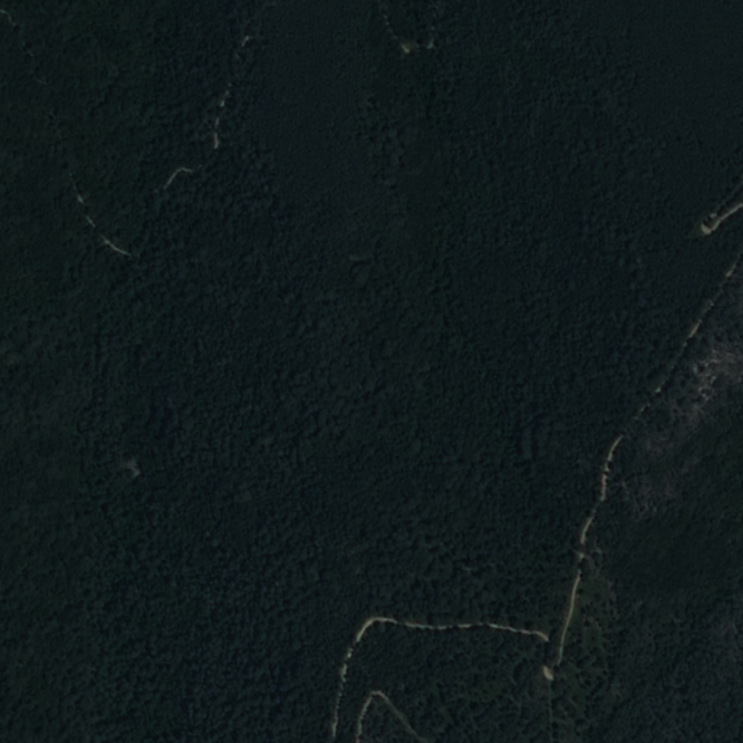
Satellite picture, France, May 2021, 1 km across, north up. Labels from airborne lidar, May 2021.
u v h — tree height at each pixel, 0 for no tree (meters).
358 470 16
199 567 11
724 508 13
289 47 21
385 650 11
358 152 22
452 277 20
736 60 16
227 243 12
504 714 17
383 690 13
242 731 18
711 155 16
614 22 18
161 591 15
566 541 19
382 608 15
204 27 11
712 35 15
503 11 6
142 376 18
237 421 16
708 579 12
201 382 17
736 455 10
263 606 26
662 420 14
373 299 23
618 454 12
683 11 15
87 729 25
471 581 28
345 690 9
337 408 29
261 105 19
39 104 16
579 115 13
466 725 24
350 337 23
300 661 17
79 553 26
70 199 19
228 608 19
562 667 17
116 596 27
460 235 15
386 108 18
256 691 24
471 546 17
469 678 12
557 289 9
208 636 16
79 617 25
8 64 16
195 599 11
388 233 23
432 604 27
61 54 18
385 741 8
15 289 15
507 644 17
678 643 8
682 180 17
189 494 10
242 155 23
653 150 17
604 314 11
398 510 26
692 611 17
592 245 12
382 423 20
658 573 19
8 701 24
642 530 13
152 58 20
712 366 9
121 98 16
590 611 19
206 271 17
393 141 24
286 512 16
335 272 17
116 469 26
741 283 11
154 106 25
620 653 23
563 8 15
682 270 19
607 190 14
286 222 22
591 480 11
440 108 14
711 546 20
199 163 14
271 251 20
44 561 17
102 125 17
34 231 21
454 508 27
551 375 11
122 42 15
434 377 21
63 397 23
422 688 24
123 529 13
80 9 16
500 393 22
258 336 15
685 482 17
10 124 19
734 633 22
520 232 13
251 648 19
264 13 20
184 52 19
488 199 13
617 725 23
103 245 15
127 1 18
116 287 24
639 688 20
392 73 14
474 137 11
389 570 27
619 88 12
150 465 12
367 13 18
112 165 16
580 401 13
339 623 9
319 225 10
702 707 25
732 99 16
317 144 17
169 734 17
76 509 18
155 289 21
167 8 14
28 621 20
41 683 19
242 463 18
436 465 23
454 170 20
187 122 16
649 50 18
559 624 9
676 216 14
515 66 10
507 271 13
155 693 19
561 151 15
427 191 16
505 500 16
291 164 21
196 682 17
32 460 19
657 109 18
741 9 16
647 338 19
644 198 16
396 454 22
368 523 19
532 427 14
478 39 9
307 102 20
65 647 20
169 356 16
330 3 20
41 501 17
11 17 6
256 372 12
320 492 17
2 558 20
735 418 14
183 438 22
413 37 17
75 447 23
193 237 19
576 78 11
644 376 23
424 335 19
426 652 24
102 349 29
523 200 10
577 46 14
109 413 24
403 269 19
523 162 7
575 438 11
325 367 25
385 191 24
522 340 10
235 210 24
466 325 15
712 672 18
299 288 15
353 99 22
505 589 12
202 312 16
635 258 15
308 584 12
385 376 27
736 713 21
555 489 15
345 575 9
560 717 16
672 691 24
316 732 14
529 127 9
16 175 16
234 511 17
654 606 23
